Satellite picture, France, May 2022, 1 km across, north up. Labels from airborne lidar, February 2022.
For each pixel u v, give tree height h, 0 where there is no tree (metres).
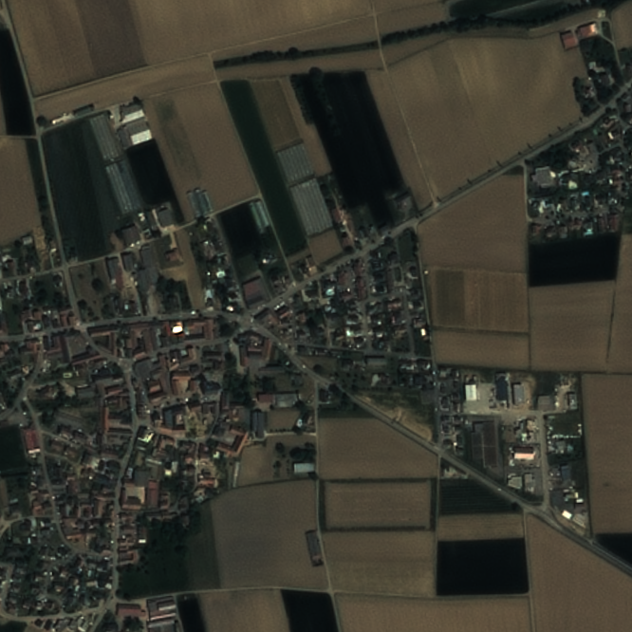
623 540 0
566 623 0
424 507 0
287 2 0
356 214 0
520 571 0
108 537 0
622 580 0
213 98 0
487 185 0
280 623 0
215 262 14
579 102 12
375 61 0
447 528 0
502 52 0
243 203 0
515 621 0
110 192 0
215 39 0
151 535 0
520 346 0
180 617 0
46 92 0
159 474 0
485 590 0
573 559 0
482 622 0
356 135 0
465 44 0
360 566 0
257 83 0
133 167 0
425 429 0
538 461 0
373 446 0
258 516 0
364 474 0
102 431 0
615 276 0
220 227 0
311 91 0
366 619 0
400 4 0
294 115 0
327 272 0
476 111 0
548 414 0
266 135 0
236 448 0
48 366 0
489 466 0
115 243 0
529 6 0
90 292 0
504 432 0
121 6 0
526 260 0
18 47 0
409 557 0
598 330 0
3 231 0
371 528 0
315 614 0
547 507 0
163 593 0
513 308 0
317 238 0
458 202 0
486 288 0
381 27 0
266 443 0
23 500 0
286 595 0
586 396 0
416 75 0
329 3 0
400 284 0
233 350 0
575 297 0
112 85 0
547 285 0
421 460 0
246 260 0
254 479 0
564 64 0
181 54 0
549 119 0
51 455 0
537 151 0
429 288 0
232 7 0
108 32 0
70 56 0
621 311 0
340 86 0
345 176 0
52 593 7
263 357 0
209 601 0
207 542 0
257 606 0
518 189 0
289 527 0
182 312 0
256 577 0
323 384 0
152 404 0
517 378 0
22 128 0
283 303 0
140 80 0
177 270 0
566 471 0
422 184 0
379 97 0
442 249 0
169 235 0
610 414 0
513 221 0
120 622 0
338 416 0
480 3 0
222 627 0
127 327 0
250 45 0
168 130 0
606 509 0
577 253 0
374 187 0
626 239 0
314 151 0
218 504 0
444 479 0
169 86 0
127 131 0
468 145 0
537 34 0
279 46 0
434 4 0
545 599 0
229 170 0
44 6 0
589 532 0
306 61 0
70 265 0
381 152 0
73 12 0
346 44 0
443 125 0
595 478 0
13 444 0
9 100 0
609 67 9
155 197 0
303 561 0
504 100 0
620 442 0
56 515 0
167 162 0
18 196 0
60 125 0
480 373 0
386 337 0
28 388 0
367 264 0
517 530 0
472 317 0
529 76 0
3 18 0
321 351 0
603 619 0
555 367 0
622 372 0
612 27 0
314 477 13
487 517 0
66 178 0
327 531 0
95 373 12
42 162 0
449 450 0
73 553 0
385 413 0
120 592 7
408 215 0
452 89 0
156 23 0
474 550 0
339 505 0
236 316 0
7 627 0
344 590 0
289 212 0
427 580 0
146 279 0
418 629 0
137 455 0
